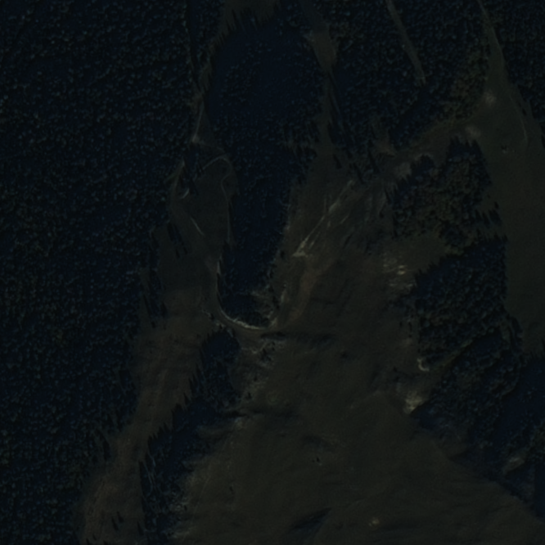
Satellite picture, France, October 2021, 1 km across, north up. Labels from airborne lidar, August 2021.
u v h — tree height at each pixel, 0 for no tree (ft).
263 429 0
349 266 0
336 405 0
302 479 0
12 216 47
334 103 0
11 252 44
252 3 0
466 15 57
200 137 0
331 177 0
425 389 0
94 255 34
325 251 0
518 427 66
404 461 0
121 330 56
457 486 0
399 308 0
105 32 90
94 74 82
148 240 57
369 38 68
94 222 43
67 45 81
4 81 68
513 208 0
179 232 0
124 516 0
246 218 48
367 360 0
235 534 0
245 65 68
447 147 0
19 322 50
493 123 0
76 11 45
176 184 0
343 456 0
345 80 34
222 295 29
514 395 24
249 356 0
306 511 0
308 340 0
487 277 60
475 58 50
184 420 45
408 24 70
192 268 0
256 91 46
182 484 0
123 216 68
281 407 0
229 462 0
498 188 0
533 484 0
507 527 0
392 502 0
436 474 0
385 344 0
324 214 0
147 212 56
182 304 0
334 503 0
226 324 0
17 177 63
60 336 60
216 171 0
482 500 0
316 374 0
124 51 78
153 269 27
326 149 0
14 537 55
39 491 65
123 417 40
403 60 39
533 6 58
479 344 25
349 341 0
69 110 45
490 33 0
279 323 0
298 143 23
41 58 33
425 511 0
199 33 66
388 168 0
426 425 0
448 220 70
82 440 66
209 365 27
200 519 0
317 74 38
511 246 0
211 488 0
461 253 39
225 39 0
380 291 0
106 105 25
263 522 0
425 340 40
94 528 0
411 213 41
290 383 0
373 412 0
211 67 0
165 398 0
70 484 53
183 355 0
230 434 0
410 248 0
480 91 61
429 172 63
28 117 53
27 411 76
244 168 42
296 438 0
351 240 0
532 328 0
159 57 52
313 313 0
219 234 0
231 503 0
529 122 0
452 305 69
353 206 0
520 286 0
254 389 0
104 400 56
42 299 53
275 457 0
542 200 0
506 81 0
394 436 0
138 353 0
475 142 0
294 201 0
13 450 30
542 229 0
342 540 0
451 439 0
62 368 40
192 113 21
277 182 23
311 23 0
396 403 0
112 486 0
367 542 0
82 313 61
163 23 86
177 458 29
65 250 34
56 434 23
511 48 66
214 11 52
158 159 64
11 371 54
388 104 20
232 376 0
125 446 0
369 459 0
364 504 0
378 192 0
